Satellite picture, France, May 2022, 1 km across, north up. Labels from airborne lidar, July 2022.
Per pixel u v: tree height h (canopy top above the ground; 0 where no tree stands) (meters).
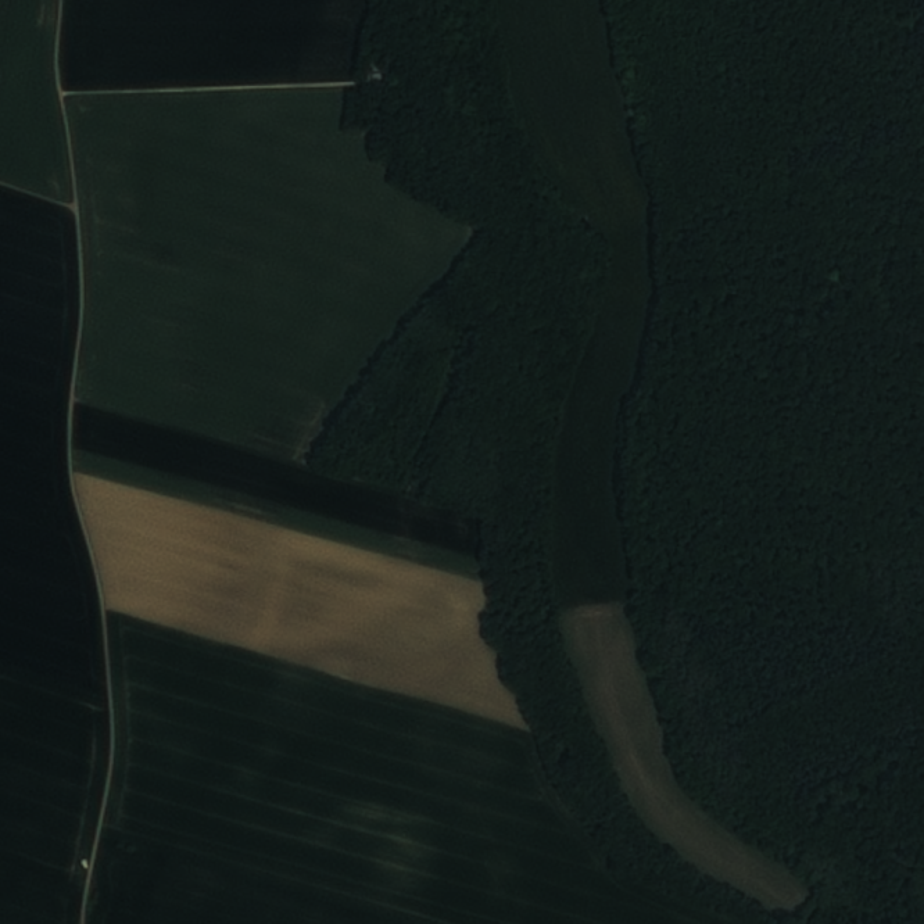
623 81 14
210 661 0
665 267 21
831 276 24
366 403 19
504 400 19
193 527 0
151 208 0
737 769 17
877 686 17
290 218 0
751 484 14
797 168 23
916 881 19
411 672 0
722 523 16
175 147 0
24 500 0
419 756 0
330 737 0
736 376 20
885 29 8
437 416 14
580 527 0
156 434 0
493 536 22
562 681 19
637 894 0
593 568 0
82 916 0
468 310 15
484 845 0
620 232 0
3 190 0
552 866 0
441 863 0
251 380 0
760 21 16
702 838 0
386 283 0
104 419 0
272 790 0
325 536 0
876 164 21
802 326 20
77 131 0
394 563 0
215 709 0
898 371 20
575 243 20
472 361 20
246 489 0
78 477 0
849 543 24
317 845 0
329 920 0
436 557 0
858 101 14
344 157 0
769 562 20
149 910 0
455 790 0
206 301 0
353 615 0
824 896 19
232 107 0
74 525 0
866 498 21
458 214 17
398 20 20
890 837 21
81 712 0
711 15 13
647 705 0
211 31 0
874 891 25
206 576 0
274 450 0
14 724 0
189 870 0
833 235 18
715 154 13
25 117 0
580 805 19
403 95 12
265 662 0
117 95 0
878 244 21
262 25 0
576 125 0
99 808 0
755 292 19
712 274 22
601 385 0
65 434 0
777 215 18
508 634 15
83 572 0
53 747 0
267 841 0
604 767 20
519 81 0
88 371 0
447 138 20
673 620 23
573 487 0
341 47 0
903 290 21
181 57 0
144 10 0
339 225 0
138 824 0
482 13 26
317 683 0
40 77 0
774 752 18
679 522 19
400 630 0
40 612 0
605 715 0
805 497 21
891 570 19
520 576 20
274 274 0
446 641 0
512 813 0
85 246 0
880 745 18
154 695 0
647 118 16
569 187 0
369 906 0
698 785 16
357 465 10
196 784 0
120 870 0
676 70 15
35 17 0
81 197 0
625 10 14
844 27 13
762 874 0
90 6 0
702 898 17
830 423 17
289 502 0
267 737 0
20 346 0
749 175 17
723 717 20
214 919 0
